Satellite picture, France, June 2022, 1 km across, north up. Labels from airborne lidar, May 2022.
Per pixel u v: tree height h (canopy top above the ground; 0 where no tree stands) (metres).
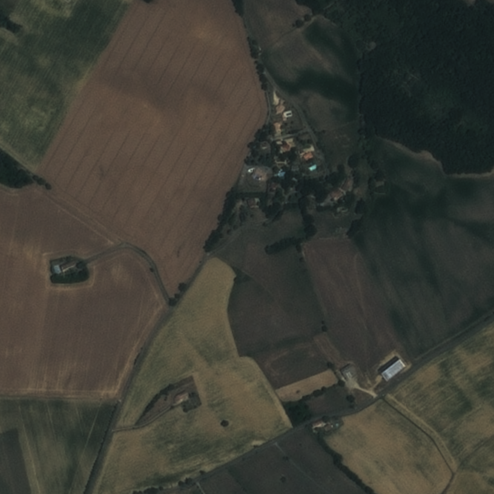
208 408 0
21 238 0
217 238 15
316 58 0
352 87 0
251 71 0
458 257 0
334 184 17
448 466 0
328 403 0
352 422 0
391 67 13
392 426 0
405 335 0
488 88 21
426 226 0
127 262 0
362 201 12
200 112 0
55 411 0
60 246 0
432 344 0
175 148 0
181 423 0
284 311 0
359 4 10
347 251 0
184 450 0
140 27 0
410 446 0
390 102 12
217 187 0
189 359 0
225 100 0
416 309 0
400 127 15
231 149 0
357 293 0
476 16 20
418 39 15
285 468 0
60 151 0
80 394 0
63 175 0
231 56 0
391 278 0
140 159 0
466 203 0
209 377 0
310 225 10
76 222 0
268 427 0
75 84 0
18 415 0
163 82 0
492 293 0
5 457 0
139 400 0
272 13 0
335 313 0
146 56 0
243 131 0
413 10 14
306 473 0
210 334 0
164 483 0
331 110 0
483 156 19
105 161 0
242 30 0
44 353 0
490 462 0
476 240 0
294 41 0
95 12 0
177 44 0
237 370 0
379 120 17
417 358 0
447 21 24
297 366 0
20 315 0
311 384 0
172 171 0
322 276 0
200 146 0
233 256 0
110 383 0
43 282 0
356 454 0
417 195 0
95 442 0
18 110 0
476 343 0
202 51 0
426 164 0
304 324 0
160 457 0
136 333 0
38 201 0
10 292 0
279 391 0
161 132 0
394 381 0
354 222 13
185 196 0
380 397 0
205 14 0
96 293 0
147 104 0
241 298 0
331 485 0
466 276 0
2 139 0
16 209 0
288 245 8
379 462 0
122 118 0
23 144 0
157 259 0
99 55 0
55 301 0
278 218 12
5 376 0
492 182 0
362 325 0
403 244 0
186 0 0
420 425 0
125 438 0
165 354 0
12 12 0
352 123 0
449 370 0
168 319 0
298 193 10
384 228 0
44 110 0
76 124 0
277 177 10
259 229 0
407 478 0
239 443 0
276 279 0
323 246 0
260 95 0
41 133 0
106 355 0
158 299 0
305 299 0
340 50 0
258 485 0
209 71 0
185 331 0
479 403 0
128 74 0
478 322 0
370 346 0
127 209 0
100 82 0
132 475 0
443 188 0
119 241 0
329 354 0
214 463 0
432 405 0
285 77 0
